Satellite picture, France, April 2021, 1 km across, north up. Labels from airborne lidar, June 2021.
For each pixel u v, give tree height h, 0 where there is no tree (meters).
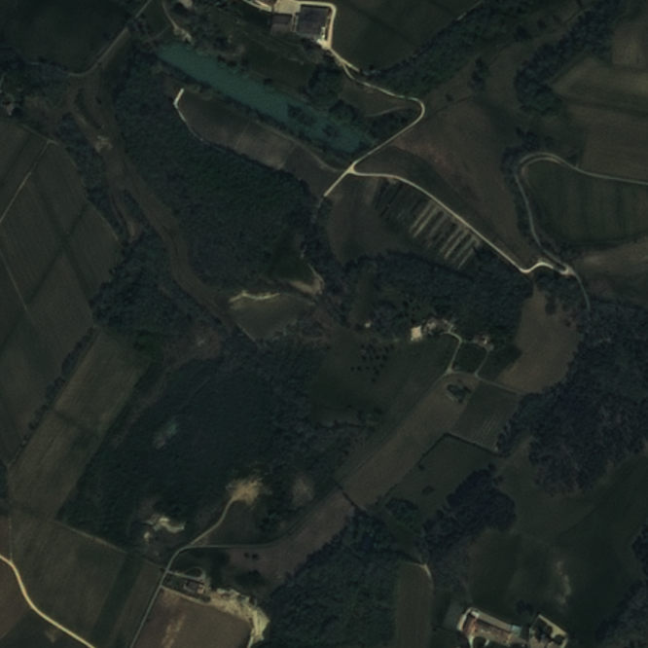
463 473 0
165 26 0
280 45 0
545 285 10
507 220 0
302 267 0
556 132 0
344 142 0
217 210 20
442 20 0
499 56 0
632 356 17
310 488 0
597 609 0
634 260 0
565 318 0
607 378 11
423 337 10
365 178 0
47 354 0
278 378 17
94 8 0
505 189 0
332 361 0
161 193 17
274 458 12
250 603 0
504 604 0
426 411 0
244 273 19
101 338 0
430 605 0
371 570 23
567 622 0
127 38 0
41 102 11
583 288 11
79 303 0
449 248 0
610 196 0
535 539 0
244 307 0
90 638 0
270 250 9
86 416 0
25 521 0
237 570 0
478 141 0
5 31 0
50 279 0
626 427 13
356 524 13
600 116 0
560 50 10
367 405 0
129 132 28
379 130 9
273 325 0
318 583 17
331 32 0
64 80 22
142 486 8
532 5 12
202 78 0
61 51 0
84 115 0
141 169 19
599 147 0
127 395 0
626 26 0
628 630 24
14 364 0
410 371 0
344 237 0
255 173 20
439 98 0
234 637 0
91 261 0
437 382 0
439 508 0
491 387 0
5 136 0
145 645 0
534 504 0
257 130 0
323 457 6
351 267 12
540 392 0
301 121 8
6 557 0
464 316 8
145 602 0
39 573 0
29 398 0
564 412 16
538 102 17
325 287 12
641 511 0
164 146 15
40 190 0
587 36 17
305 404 21
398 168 0
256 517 0
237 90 0
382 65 0
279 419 17
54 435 0
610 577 0
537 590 0
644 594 16
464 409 0
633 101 0
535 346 0
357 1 0
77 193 0
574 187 0
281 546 0
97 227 0
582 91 0
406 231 0
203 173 21
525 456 0
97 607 0
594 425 18
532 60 0
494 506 21
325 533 0
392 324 15
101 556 0
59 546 0
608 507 0
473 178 0
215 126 0
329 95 20
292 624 15
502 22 13
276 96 0
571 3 0
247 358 20
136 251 10
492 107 0
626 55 0
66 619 0
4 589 0
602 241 0
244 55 0
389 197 0
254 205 20
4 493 11
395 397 0
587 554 0
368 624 8
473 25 22
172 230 0
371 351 9
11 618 0
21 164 0
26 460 0
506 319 14
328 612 13
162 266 19
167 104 19
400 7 0
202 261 14
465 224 0
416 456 0
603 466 19
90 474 6
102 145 0
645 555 22
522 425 18
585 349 14
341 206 0
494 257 16
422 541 13
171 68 13
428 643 0
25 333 0
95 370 0
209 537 0
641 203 0
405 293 9
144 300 22
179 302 16
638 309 14
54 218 0
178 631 0
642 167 0
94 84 0
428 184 0
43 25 0
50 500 0
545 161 0
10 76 12
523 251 0
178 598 0
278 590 7
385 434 0
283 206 18
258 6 0
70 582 0
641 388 9
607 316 12
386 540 23
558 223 0
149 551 0
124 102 18
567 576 0
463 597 17
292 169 0
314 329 11
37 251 0
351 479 0
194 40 15
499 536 0
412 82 22
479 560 0
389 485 0
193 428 7
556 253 7
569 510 0
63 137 12
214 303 0
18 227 0
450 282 18
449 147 0
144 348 11
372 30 0
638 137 0
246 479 0
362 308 0
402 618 0
